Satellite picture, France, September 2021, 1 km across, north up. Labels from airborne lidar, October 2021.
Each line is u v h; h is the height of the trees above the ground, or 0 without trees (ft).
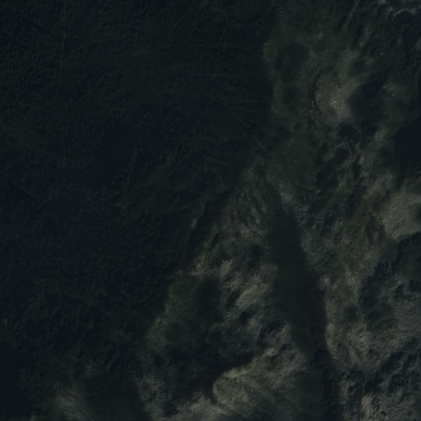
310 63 0
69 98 34
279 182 0
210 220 0
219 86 18
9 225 28
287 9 0
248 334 0
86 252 22
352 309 0
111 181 26
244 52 0
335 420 0
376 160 0
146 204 0
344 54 0
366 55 0
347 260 0
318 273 0
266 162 0
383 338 0
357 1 0
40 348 0
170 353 0
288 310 0
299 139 0
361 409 0
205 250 0
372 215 0
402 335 0
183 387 0
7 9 22
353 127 0
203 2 0
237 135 0
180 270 0
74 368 0
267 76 0
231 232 0
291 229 0
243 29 0
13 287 18
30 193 20
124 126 18
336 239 0
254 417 0
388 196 0
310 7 0
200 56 18
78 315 0
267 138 0
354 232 0
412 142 0
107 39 20
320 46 0
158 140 22
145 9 20
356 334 0
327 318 0
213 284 0
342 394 0
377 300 0
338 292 0
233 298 0
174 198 0
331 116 0
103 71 24
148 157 19
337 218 0
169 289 0
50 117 20
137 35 24
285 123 0
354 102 0
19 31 22
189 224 0
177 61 18
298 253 0
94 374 0
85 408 0
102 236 27
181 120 24
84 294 0
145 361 0
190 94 18
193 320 0
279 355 0
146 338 0
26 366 21
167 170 0
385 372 0
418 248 0
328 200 0
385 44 0
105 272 0
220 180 0
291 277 0
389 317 0
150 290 0
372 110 0
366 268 0
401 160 0
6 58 22
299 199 0
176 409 0
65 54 19
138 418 0
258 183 0
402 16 0
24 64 20
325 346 0
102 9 22
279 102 0
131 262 20
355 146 0
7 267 20
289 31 0
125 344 0
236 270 0
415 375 0
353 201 0
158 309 0
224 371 0
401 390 0
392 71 0
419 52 0
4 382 28
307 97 0
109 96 26
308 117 0
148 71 22
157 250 0
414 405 0
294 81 0
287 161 0
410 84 0
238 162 0
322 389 0
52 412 0
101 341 0
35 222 23
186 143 0
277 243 0
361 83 0
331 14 0
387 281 0
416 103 0
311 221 0
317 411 0
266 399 0
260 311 0
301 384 0
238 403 0
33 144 0
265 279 0
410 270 0
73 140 22
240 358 0
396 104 0
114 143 19
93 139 23
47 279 21
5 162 17
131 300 0
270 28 0
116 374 0
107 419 0
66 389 0
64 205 0
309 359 0
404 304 0
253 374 0
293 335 0
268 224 0
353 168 0
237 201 0
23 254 20
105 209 18
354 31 0
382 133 0
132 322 0
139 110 19
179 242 0
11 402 19
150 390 0
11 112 19
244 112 0
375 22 0
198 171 0
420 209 0
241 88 0
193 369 0
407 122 0
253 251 0
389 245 0
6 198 21
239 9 0
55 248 19
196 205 0
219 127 0
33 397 0
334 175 0
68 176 21
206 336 0
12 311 21
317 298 0
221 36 18
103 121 17
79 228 19
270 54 0
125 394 0
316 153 0
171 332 0
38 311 0
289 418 0
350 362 0
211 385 0
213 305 0
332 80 0
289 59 0
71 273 19
